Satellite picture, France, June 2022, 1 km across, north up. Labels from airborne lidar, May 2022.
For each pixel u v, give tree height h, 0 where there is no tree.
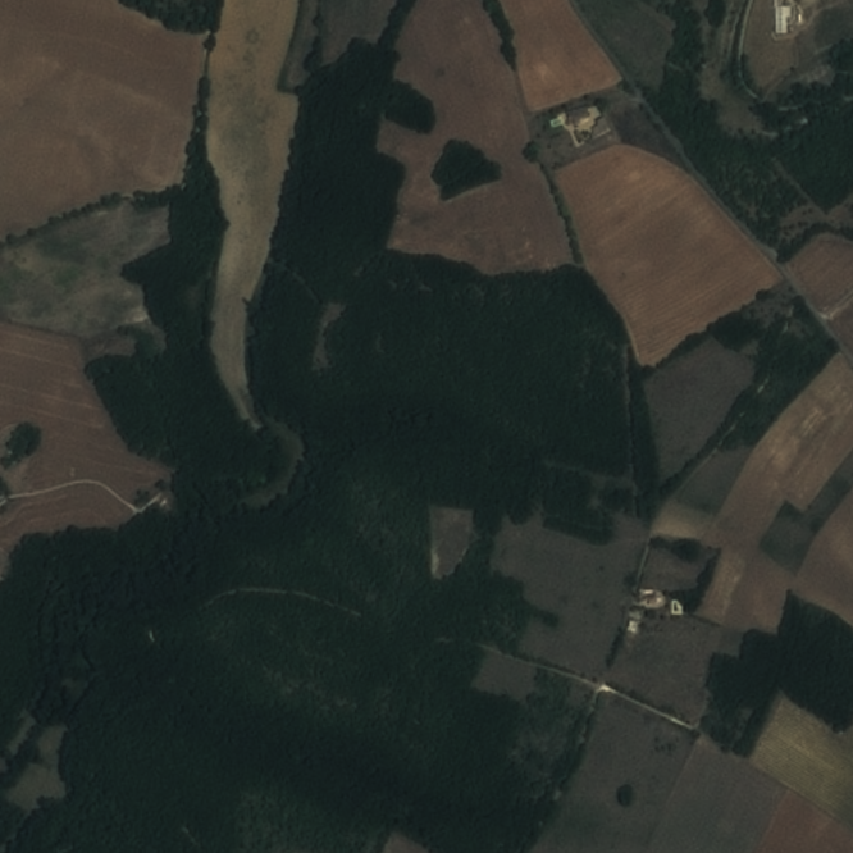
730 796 0
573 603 0
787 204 9
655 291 0
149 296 13
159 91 0
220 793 8
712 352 0
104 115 0
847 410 0
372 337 10
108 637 21
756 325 7
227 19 0
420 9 0
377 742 12
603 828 0
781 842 0
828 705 10
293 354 11
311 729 12
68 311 0
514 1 0
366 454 13
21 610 16
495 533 9
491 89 0
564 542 0
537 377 11
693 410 0
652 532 0
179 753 11
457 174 7
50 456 0
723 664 12
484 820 13
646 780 0
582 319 9
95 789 12
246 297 0
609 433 11
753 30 0
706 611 0
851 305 0
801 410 0
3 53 0
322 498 12
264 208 0
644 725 0
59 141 0
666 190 0
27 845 18
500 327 8
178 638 10
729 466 0
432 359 9
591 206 0
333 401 13
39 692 14
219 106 0
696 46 10
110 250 0
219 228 18
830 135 11
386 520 8
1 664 12
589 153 0
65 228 0
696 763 0
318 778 20
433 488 10
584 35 0
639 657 0
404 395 12
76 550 19
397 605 6
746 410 7
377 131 11
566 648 0
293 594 7
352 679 9
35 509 0
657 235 0
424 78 0
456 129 0
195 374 18
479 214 0
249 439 19
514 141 0
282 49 0
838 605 0
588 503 7
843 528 0
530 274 9
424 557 7
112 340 0
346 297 9
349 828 10
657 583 0
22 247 0
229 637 6
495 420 7
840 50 12
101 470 0
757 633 14
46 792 0
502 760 11
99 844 13
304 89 19
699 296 0
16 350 0
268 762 19
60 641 18
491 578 10
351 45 13
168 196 11
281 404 17
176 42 0
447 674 12
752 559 0
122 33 0
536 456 14
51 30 0
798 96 11
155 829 9
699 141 8
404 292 10
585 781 0
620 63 0
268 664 7
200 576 25
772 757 0
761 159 7
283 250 18
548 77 0
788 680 10
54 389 0
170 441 12
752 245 0
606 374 8
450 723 9
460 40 0
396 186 11
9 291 0
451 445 17
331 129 6
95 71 0
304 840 7
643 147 0
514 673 0
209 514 17
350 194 11
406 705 7
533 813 14
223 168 0
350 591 10
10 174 0
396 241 0
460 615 11
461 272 12
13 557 9
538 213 0
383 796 24
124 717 11
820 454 0
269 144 0
